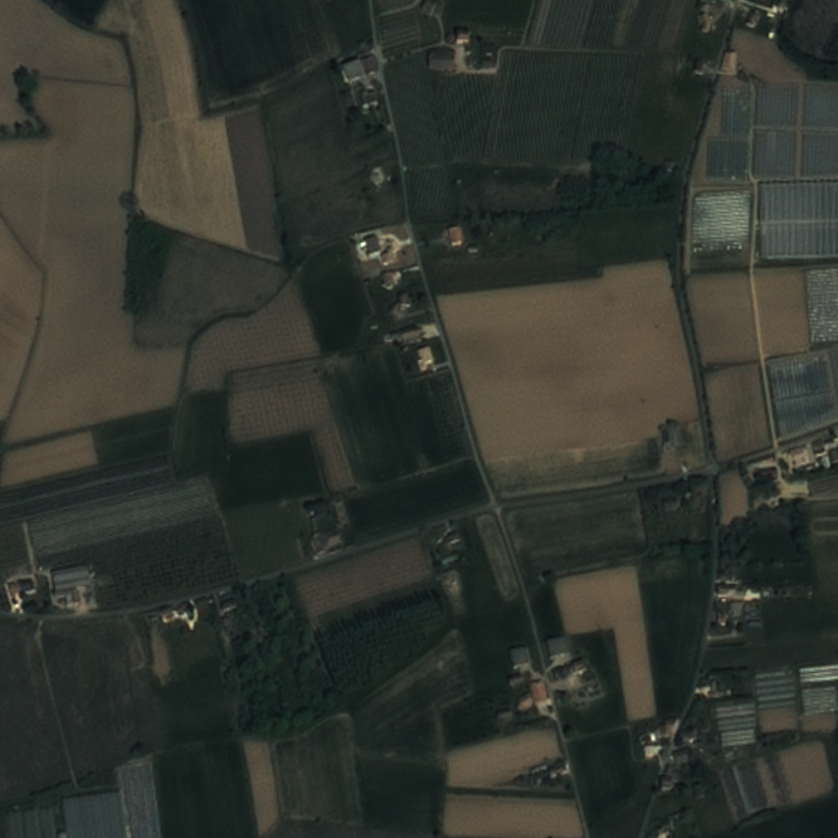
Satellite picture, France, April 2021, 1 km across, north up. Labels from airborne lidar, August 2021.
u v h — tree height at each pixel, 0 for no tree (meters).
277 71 0
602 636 0
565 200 6
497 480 0
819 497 0
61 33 0
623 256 0
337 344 0
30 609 14
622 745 0
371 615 0
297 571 0
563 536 0
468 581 0
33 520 0
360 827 0
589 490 0
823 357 0
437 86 0
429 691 0
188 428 0
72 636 0
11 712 0
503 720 9
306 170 0
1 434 0
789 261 0
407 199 0
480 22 0
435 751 0
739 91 0
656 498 7
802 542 12
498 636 0
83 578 0
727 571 6
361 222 0
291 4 0
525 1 0
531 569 0
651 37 0
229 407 0
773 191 0
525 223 9
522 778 7
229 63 0
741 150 0
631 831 0
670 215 0
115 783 0
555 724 0
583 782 0
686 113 0
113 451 0
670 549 11
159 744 0
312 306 0
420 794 0
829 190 0
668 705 0
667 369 0
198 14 0
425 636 21
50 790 8
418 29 0
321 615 0
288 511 0
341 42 0
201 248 0
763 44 0
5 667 0
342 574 0
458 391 0
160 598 0
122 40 8
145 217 9
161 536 5
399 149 0
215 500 0
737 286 0
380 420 0
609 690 0
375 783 0
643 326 0
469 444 0
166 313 0
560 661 0
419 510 0
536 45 0
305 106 0
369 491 0
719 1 0
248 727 8
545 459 0
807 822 0
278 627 15
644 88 0
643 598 0
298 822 0
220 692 0
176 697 0
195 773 0
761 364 0
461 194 0
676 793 9
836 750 0
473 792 0
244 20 0
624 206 9
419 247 0
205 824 0
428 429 0
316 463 0
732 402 0
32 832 0
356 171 0
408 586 0
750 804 0
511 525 0
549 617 0
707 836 0
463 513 0
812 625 0
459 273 0
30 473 0
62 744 0
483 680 0
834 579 0
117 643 0
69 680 0
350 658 27
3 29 0
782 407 0
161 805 0
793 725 0
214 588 0
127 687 0
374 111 11
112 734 0
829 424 0
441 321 0
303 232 0
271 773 0
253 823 0
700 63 0
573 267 0
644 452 0
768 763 0
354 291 0
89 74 0
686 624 0
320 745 0
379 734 0
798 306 0
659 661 0
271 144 0
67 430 0
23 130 16
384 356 0
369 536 0
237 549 0
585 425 0
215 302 0
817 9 16
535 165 0
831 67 13
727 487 0
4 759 0
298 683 11
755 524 13
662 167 9
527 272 0
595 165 19
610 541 0
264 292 0
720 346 0
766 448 0
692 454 0
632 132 0
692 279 0
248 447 0
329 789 0
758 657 0
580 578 0
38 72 10
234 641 6
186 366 0
